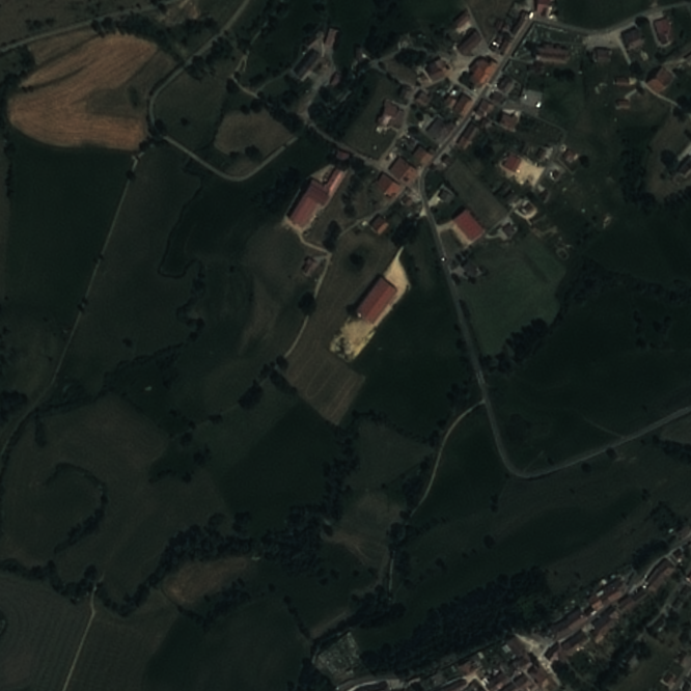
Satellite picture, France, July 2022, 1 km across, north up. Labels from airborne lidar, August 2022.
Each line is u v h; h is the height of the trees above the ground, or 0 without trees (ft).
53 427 0
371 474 0
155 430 0
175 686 0
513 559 0
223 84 0
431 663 47
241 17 0
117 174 0
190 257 0
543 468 0
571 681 73
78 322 0
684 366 0
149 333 0
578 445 0
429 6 0
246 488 0
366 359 0
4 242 0
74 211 0
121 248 0
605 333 0
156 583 49
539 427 0
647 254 0
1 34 0
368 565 0
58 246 0
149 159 0
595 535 0
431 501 0
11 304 0
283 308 0
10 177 28
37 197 0
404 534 58
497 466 0
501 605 77
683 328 0
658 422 0
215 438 0
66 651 0
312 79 0
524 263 0
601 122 0
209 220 0
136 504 0
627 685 0
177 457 0
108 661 0
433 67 0
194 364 0
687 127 0
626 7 0
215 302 0
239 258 0
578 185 0
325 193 0
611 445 0
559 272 0
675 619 62
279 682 0
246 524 58
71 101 0
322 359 0
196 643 0
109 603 40
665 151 0
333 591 0
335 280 0
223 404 0
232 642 0
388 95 0
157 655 0
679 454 68
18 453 0
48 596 0
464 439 0
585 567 0
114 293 0
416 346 0
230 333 0
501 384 0
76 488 0
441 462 0
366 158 0
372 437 0
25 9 0
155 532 0
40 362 0
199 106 0
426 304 0
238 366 0
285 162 0
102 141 0
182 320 19
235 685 0
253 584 0
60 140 0
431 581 0
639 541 0
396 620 19
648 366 0
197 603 0
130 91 0
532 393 0
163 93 0
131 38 0
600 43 0
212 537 70
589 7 0
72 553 0
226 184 0
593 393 0
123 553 0
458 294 0
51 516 0
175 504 0
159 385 0
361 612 22
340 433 60
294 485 0
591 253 0
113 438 0
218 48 44
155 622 0
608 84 0
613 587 0
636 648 40
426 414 0
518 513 0
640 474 0
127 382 0
